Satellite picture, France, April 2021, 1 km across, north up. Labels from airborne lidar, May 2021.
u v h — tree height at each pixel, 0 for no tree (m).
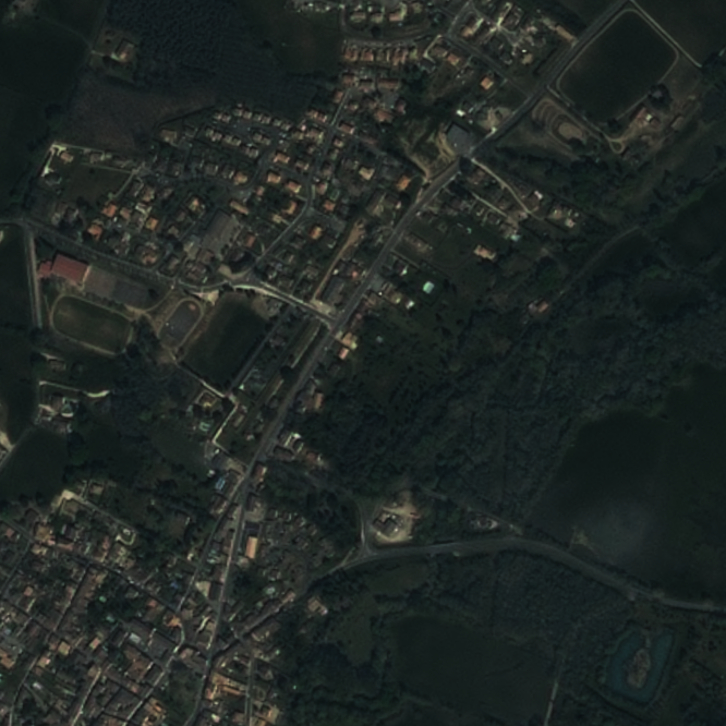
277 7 0
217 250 0
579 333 0
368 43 0
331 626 14
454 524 10
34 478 0
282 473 22
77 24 0
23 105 0
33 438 0
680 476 0
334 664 30
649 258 0
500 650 0
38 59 0
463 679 0
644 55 0
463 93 9
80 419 26
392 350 6
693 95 0
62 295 0
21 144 0
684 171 0
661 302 0
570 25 6
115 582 6
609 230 15
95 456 0
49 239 14
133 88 18
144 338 11
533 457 13
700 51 0
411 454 20
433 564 20
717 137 0
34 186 13
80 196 0
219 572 0
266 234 7
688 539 0
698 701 12
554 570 14
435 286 0
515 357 10
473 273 0
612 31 0
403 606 17
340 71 7
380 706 12
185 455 0
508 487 12
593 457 0
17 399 0
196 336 0
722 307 17
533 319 6
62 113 21
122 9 18
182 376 16
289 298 0
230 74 18
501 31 0
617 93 0
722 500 0
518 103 0
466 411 24
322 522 12
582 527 0
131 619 7
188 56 18
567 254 11
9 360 0
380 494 11
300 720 18
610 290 21
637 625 8
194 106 24
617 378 18
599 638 11
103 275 0
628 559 0
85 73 13
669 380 17
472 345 21
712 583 0
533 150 0
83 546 0
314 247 5
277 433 0
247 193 0
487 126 0
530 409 16
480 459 17
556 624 11
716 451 0
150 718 6
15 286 0
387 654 7
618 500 0
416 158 0
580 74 0
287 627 6
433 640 0
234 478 0
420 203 0
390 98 0
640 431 0
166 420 0
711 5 0
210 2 18
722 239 0
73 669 7
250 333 0
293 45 0
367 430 19
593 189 17
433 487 11
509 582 23
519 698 0
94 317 0
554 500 0
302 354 0
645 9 0
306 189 0
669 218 14
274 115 8
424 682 0
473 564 10
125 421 23
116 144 22
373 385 0
